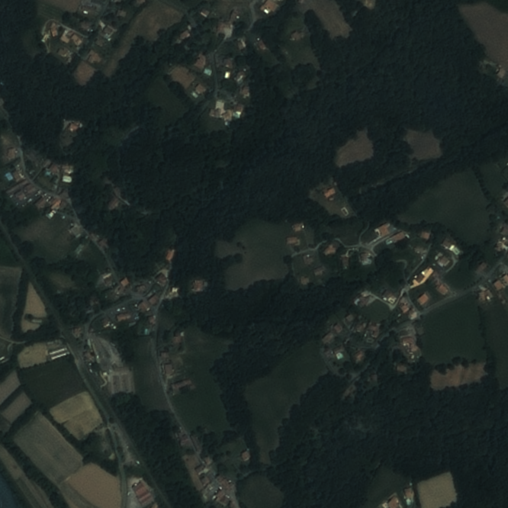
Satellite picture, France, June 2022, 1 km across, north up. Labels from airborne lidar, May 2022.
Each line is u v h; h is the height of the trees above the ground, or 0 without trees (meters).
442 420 26
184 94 16
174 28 12
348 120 19
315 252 0
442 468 18
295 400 0
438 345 0
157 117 18
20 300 8
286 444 20
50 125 25
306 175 26
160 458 7
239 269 0
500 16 0
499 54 0
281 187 15
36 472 8
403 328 0
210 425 0
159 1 0
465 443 13
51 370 0
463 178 0
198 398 0
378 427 22
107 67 0
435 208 0
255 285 12
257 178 24
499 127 5
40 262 25
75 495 0
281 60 15
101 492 0
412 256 0
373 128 19
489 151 20
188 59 15
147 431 6
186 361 0
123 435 0
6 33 25
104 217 20
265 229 0
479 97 23
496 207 12
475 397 27
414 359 0
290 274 7
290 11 13
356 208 18
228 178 9
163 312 0
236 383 21
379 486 0
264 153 26
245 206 26
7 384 0
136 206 23
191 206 27
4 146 0
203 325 11
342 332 0
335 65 21
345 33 0
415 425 16
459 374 0
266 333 25
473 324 0
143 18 0
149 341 0
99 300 7
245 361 21
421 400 23
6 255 0
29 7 20
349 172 22
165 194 19
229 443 21
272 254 0
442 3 18
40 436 0
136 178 17
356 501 15
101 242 0
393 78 20
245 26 15
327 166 15
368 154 0
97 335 0
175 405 0
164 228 26
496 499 20
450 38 14
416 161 14
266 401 0
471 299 0
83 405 0
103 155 9
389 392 24
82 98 21
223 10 0
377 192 18
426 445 20
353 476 14
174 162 28
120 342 5
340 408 21
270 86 18
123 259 22
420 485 0
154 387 0
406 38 23
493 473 31
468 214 0
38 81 21
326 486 27
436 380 0
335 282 20
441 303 0
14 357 9
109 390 0
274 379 0
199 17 6
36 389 0
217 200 27
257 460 17
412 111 16
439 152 0
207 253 16
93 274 8
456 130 6
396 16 14
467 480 17
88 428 0
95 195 12
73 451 0
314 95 15
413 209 0
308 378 0
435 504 0
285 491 11
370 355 15
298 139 25
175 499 13
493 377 9
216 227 27
